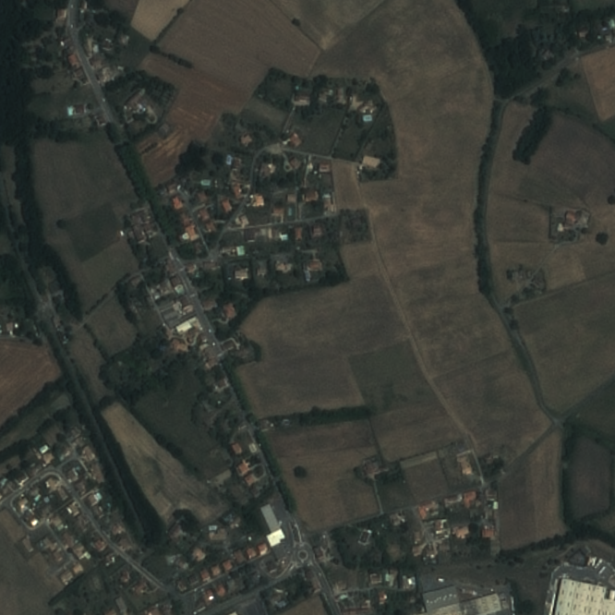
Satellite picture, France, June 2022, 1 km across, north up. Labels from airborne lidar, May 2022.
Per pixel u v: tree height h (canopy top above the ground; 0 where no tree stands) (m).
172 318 0
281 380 0
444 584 0
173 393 0
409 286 0
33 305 18
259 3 0
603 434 0
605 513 7
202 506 0
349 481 0
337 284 10
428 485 0
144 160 0
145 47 0
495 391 0
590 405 0
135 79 8
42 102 0
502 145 0
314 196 0
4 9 16
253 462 8
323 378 0
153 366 0
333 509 0
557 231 0
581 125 0
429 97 0
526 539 0
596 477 0
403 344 0
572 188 0
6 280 13
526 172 0
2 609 0
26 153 18
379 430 0
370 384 0
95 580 0
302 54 0
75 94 0
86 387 5
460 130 0
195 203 11
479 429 0
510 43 20
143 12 0
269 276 11
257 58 0
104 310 0
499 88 21
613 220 0
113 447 11
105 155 0
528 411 0
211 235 11
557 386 0
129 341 0
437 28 0
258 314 0
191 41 0
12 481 10
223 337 14
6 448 8
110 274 0
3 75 23
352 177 0
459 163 0
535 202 0
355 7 0
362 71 0
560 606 0
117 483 14
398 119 0
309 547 0
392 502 0
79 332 0
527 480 0
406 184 0
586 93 0
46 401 12
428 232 0
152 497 0
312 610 0
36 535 0
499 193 0
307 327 0
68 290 11
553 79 0
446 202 0
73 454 0
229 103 0
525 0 0
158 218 18
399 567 8
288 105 10
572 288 0
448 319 0
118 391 14
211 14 0
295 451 0
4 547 0
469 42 0
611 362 0
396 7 0
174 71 0
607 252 0
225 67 0
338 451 0
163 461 0
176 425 0
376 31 0
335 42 0
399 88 0
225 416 8
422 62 0
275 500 0
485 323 0
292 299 0
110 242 0
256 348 6
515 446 0
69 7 0
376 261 0
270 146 0
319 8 0
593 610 0
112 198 0
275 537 0
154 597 0
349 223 5
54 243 0
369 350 0
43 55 26
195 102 0
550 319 0
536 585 0
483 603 0
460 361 0
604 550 0
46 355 0
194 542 5
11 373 0
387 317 0
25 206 18
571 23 10
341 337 0
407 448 0
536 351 0
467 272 0
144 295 8
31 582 0
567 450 9
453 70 0
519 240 0
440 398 0
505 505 0
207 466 0
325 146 0
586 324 0
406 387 0
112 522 0
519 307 0
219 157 15
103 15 13
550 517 0
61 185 0
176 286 0
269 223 0
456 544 0
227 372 19
